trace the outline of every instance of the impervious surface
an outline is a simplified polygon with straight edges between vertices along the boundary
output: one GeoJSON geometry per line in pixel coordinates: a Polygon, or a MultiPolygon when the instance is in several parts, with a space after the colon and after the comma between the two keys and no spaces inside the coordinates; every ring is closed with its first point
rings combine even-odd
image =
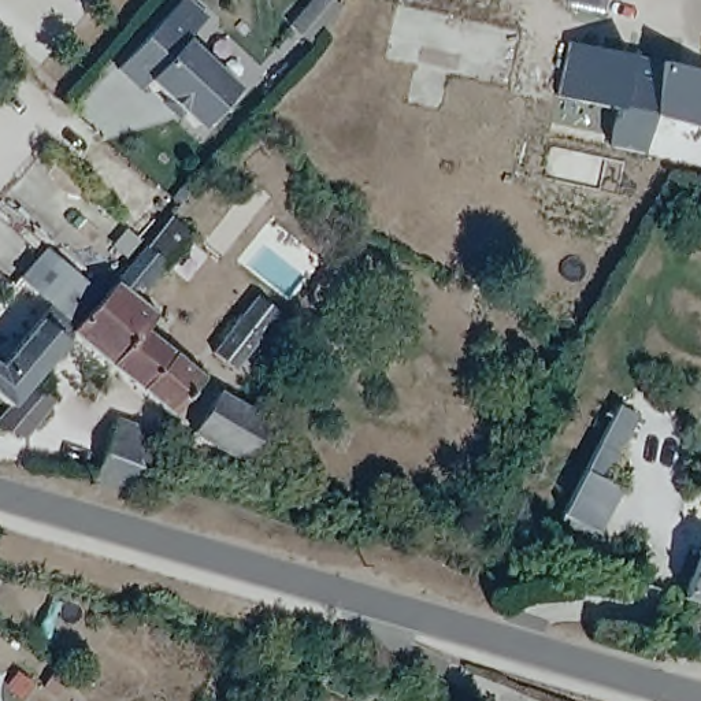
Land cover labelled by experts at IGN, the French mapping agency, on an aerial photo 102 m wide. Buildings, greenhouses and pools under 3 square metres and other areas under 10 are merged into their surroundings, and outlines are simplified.
{"type": "Polygon", "coordinates": [[[219,0],[194,0],[208,16],[200,27],[200,38],[208,38],[214,44],[216,58],[227,63],[227,68],[241,82],[238,99],[227,107],[227,112],[211,123],[203,123],[186,110],[183,101],[178,101],[178,96],[170,88],[151,82],[148,88],[140,88],[120,68],[181,5],[181,0],[164,0],[162,8],[118,52],[115,66],[107,66],[104,71],[85,96],[82,112],[74,115],[66,101],[41,93],[36,85],[25,79],[19,82],[19,88],[11,88],[5,93],[0,107],[0,189],[36,153],[47,151],[49,140],[55,137],[60,145],[68,145],[74,156],[79,156],[82,151],[88,151],[88,140],[93,137],[101,145],[110,145],[110,140],[120,131],[148,129],[167,120],[183,123],[183,129],[192,137],[203,142],[200,164],[211,167],[214,159],[214,153],[252,115],[252,110],[268,93],[274,93],[285,82],[285,77],[312,52],[307,41],[298,38],[298,30],[293,27],[277,49],[268,52],[266,60],[255,63],[238,44],[233,44],[230,38],[219,38],[219,0]]]}
{"type": "Polygon", "coordinates": [[[600,178],[597,156],[556,148],[548,159],[548,170],[553,175],[591,183],[600,178]]]}
{"type": "Polygon", "coordinates": [[[654,564],[660,581],[643,600],[633,605],[619,605],[602,602],[597,594],[583,594],[572,602],[528,605],[518,616],[509,616],[507,624],[487,622],[405,594],[394,594],[370,583],[348,581],[342,575],[318,572],[227,542],[118,515],[41,487],[0,479],[0,509],[36,523],[47,523],[55,528],[123,545],[140,553],[170,559],[186,567],[208,570],[244,583],[315,600],[326,608],[342,608],[348,619],[364,622],[372,630],[372,635],[394,652],[394,663],[413,665],[422,660],[422,654],[427,654],[449,687],[449,701],[539,701],[528,693],[498,685],[493,679],[471,679],[460,674],[457,660],[435,649],[419,649],[416,635],[424,633],[433,638],[444,638],[460,646],[471,646],[487,654],[498,654],[515,663],[526,663],[550,674],[572,676],[646,701],[701,701],[701,676],[687,679],[660,668],[646,668],[608,654],[597,654],[589,652],[594,643],[589,633],[594,633],[597,622],[624,619],[657,627],[660,605],[665,602],[668,591],[679,586],[687,594],[693,572],[701,570],[701,501],[682,498],[674,490],[671,479],[671,468],[679,463],[674,446],[685,446],[685,433],[674,427],[674,416],[652,408],[646,397],[638,392],[630,397],[630,403],[641,413],[641,424],[635,427],[635,435],[630,438],[619,463],[633,466],[633,490],[627,493],[619,498],[608,520],[608,534],[622,534],[627,526],[646,528],[649,561],[654,564]]]}
{"type": "Polygon", "coordinates": [[[501,66],[509,66],[512,60],[512,41],[504,38],[504,30],[482,22],[463,22],[457,16],[433,11],[394,11],[389,58],[411,63],[416,68],[408,93],[411,101],[427,107],[441,104],[446,74],[490,79],[501,66]]]}
{"type": "Polygon", "coordinates": [[[25,249],[16,233],[8,227],[5,214],[0,211],[0,274],[11,271],[16,279],[14,293],[19,293],[19,301],[11,309],[0,304],[0,361],[16,353],[22,340],[41,320],[41,309],[49,304],[36,296],[38,285],[22,279],[30,271],[30,266],[47,252],[44,244],[25,249]]]}
{"type": "Polygon", "coordinates": [[[192,279],[203,268],[203,263],[216,263],[219,255],[233,246],[241,230],[249,225],[249,219],[268,203],[268,194],[263,192],[252,194],[246,203],[230,205],[230,211],[211,235],[203,238],[197,233],[194,238],[186,263],[178,263],[173,268],[178,277],[192,279]]]}
{"type": "Polygon", "coordinates": [[[279,227],[268,225],[246,246],[246,252],[241,255],[241,266],[246,266],[257,277],[260,288],[268,290],[271,282],[263,274],[257,274],[255,260],[260,252],[274,252],[293,271],[298,271],[282,296],[293,298],[296,293],[301,293],[307,277],[318,266],[318,255],[301,244],[279,241],[279,227]]]}
{"type": "Polygon", "coordinates": [[[52,47],[58,47],[58,38],[68,27],[74,27],[88,14],[85,8],[96,0],[0,0],[0,22],[25,49],[27,60],[44,63],[49,55],[52,47]]]}
{"type": "Polygon", "coordinates": [[[550,131],[583,140],[608,140],[613,137],[616,112],[608,110],[608,104],[553,93],[553,96],[561,120],[550,123],[550,131]]]}
{"type": "Polygon", "coordinates": [[[142,441],[153,441],[178,422],[178,416],[164,411],[170,405],[170,397],[159,397],[153,389],[145,389],[107,353],[101,353],[90,340],[74,334],[74,342],[66,348],[66,356],[55,364],[60,400],[55,403],[52,419],[30,435],[0,433],[0,460],[16,457],[25,468],[33,460],[99,468],[101,468],[110,455],[118,411],[140,413],[142,441]],[[107,392],[82,381],[77,361],[85,356],[107,370],[107,392]]]}

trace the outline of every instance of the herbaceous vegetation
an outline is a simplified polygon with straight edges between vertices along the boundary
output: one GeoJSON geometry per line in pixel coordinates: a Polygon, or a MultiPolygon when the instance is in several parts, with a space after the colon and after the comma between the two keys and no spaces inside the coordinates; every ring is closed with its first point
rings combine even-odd
{"type": "Polygon", "coordinates": [[[175,581],[142,570],[137,564],[101,559],[66,545],[25,537],[0,526],[0,613],[14,622],[22,622],[27,616],[33,627],[44,624],[44,635],[52,638],[49,660],[44,663],[27,646],[0,633],[0,701],[192,701],[192,693],[203,685],[205,676],[203,657],[194,643],[173,641],[167,630],[148,630],[145,624],[126,630],[110,622],[107,627],[93,630],[85,622],[79,622],[77,605],[52,602],[52,597],[47,597],[44,589],[11,583],[14,564],[36,561],[63,575],[82,575],[85,583],[104,586],[110,591],[107,602],[137,602],[140,591],[167,597],[181,594],[189,605],[200,611],[230,616],[233,627],[227,638],[238,646],[246,646],[249,635],[255,633],[268,633],[271,622],[315,622],[318,627],[331,627],[334,633],[348,630],[364,641],[372,635],[372,630],[364,622],[348,619],[326,622],[312,611],[255,605],[252,600],[238,594],[175,581]],[[60,663],[71,649],[82,649],[85,643],[99,660],[96,679],[85,687],[60,685],[55,679],[60,663]],[[22,698],[14,696],[16,676],[36,679],[36,685],[22,698]]]}
{"type": "Polygon", "coordinates": [[[41,487],[118,515],[227,542],[318,572],[342,575],[348,581],[370,583],[394,594],[405,594],[487,622],[507,624],[509,616],[496,613],[487,605],[487,597],[493,597],[498,589],[515,586],[509,575],[509,561],[504,559],[496,567],[485,567],[476,583],[474,578],[457,572],[435,556],[400,556],[394,548],[383,542],[356,550],[345,548],[342,542],[326,548],[323,542],[309,542],[298,537],[293,523],[274,520],[271,515],[255,509],[238,512],[235,504],[219,498],[170,493],[167,504],[159,512],[142,512],[120,498],[120,487],[101,468],[99,468],[96,482],[85,482],[66,476],[41,476],[25,468],[16,457],[0,460],[0,479],[41,487]]]}
{"type": "Polygon", "coordinates": [[[466,403],[471,397],[471,386],[476,386],[485,372],[482,359],[474,353],[474,345],[485,340],[490,331],[507,331],[507,345],[518,351],[523,351],[528,342],[512,331],[518,318],[485,301],[476,285],[463,290],[460,285],[438,285],[424,268],[419,268],[411,277],[424,315],[419,351],[422,356],[389,364],[386,378],[394,386],[397,408],[383,413],[364,405],[361,367],[356,364],[348,372],[340,397],[334,400],[334,408],[342,413],[342,435],[320,435],[312,444],[315,455],[320,457],[320,466],[334,479],[351,482],[356,501],[370,498],[370,490],[381,482],[381,474],[411,479],[416,487],[444,482],[446,474],[471,474],[482,479],[479,460],[490,452],[490,419],[476,422],[474,411],[466,403]]]}
{"type": "Polygon", "coordinates": [[[674,416],[674,427],[685,433],[687,427],[701,430],[701,392],[690,386],[687,405],[674,416]]]}
{"type": "Polygon", "coordinates": [[[238,44],[255,63],[266,60],[268,52],[277,49],[293,27],[312,0],[219,0],[219,38],[230,38],[233,44],[238,44]]]}
{"type": "Polygon", "coordinates": [[[616,293],[608,312],[602,315],[589,348],[589,359],[575,383],[572,422],[567,422],[550,438],[550,444],[542,449],[542,457],[528,463],[523,474],[523,487],[534,493],[528,504],[528,512],[534,518],[561,520],[567,515],[619,405],[630,403],[630,397],[638,392],[627,372],[630,353],[646,351],[690,367],[701,364],[701,255],[674,255],[665,246],[665,233],[657,227],[657,222],[646,214],[652,211],[657,192],[671,178],[679,162],[660,159],[654,153],[633,153],[635,145],[613,145],[608,140],[583,140],[550,131],[550,123],[561,120],[553,96],[545,101],[531,99],[523,93],[512,93],[512,85],[507,82],[490,79],[446,74],[441,104],[427,107],[411,101],[408,93],[416,68],[411,63],[389,58],[394,11],[433,11],[457,16],[463,22],[482,22],[504,30],[518,30],[520,19],[498,16],[498,0],[342,0],[340,14],[331,19],[326,30],[331,36],[326,52],[282,96],[277,104],[277,115],[296,126],[307,148],[309,164],[331,181],[356,183],[367,194],[367,222],[375,230],[389,233],[392,238],[408,244],[413,252],[424,252],[438,263],[446,263],[446,271],[452,274],[471,274],[476,282],[482,279],[487,266],[507,266],[509,260],[520,260],[520,252],[528,249],[542,263],[545,277],[542,288],[537,290],[537,304],[542,304],[550,318],[575,312],[583,320],[600,301],[608,277],[627,255],[638,230],[649,238],[646,249],[633,263],[624,288],[616,293]],[[597,156],[600,178],[591,183],[553,175],[548,170],[548,159],[556,148],[597,156]]]}
{"type": "Polygon", "coordinates": [[[101,145],[93,137],[88,140],[88,151],[82,151],[79,156],[88,159],[93,170],[101,175],[101,181],[118,192],[120,203],[129,211],[126,225],[112,225],[112,216],[101,205],[90,205],[82,200],[77,183],[66,175],[63,167],[41,164],[36,153],[0,189],[0,211],[5,214],[8,227],[16,233],[25,249],[44,244],[47,252],[58,255],[79,277],[85,277],[85,268],[96,263],[118,268],[118,260],[126,255],[118,246],[118,238],[129,233],[142,241],[145,230],[153,222],[153,214],[170,203],[170,194],[181,194],[178,214],[194,222],[197,233],[203,238],[211,235],[230,211],[230,205],[219,192],[205,192],[203,197],[194,197],[183,192],[192,175],[186,170],[175,173],[173,156],[178,142],[186,142],[192,137],[183,129],[183,123],[167,120],[148,129],[120,131],[110,140],[110,145],[101,145]]]}
{"type": "Polygon", "coordinates": [[[290,334],[290,320],[298,315],[298,307],[318,307],[323,301],[323,290],[331,288],[331,268],[318,266],[307,277],[301,293],[296,293],[293,298],[282,296],[268,290],[260,288],[257,277],[246,266],[241,266],[241,255],[246,252],[246,246],[268,225],[279,227],[279,241],[301,244],[304,235],[298,230],[298,219],[285,208],[285,159],[266,142],[255,142],[241,153],[246,159],[246,170],[252,173],[252,194],[263,192],[268,194],[268,203],[249,219],[249,225],[241,230],[233,246],[219,255],[216,263],[203,263],[203,268],[192,279],[178,277],[173,268],[162,271],[151,288],[156,320],[183,348],[189,348],[214,375],[205,383],[203,397],[189,405],[189,413],[178,416],[178,422],[189,424],[197,433],[203,422],[214,413],[222,392],[249,405],[260,403],[268,397],[268,386],[257,381],[257,367],[277,359],[274,351],[290,334]],[[266,307],[274,307],[277,315],[268,323],[257,351],[252,353],[252,361],[233,364],[227,356],[214,353],[214,348],[222,342],[235,318],[255,298],[260,298],[266,307]]]}
{"type": "Polygon", "coordinates": [[[49,55],[44,63],[27,60],[25,79],[36,85],[41,93],[66,101],[71,88],[79,79],[85,79],[96,66],[104,71],[107,66],[101,63],[101,58],[107,47],[120,36],[120,30],[126,30],[129,19],[148,0],[110,0],[110,5],[120,11],[118,22],[110,30],[101,33],[96,19],[88,14],[74,27],[74,36],[79,41],[93,44],[82,63],[66,71],[49,55]]]}
{"type": "Polygon", "coordinates": [[[652,660],[641,652],[622,652],[613,646],[594,643],[589,652],[597,654],[608,654],[646,668],[660,668],[687,679],[701,676],[701,663],[687,657],[652,660]]]}

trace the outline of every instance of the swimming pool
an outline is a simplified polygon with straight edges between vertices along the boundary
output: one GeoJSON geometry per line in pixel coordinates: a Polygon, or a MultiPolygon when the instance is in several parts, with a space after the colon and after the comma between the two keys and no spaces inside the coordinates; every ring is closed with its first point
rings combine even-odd
{"type": "Polygon", "coordinates": [[[293,271],[274,252],[260,252],[255,260],[257,274],[263,274],[271,282],[268,290],[282,296],[298,271],[293,271]]]}

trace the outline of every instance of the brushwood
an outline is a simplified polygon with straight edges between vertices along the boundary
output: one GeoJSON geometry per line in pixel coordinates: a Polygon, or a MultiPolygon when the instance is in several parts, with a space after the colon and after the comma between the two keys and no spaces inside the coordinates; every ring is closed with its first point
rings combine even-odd
{"type": "Polygon", "coordinates": [[[96,66],[85,79],[79,79],[71,88],[66,101],[74,115],[82,112],[85,96],[104,71],[96,66]]]}
{"type": "Polygon", "coordinates": [[[424,268],[438,285],[460,285],[463,290],[476,285],[476,282],[471,274],[452,274],[446,271],[446,263],[438,263],[424,252],[413,252],[408,244],[392,238],[389,233],[375,230],[370,235],[370,246],[383,249],[394,260],[394,266],[408,271],[411,277],[419,268],[424,268]]]}
{"type": "Polygon", "coordinates": [[[583,696],[578,698],[572,693],[561,693],[539,682],[520,679],[515,674],[474,660],[457,660],[460,674],[471,679],[493,679],[498,685],[528,693],[539,701],[586,701],[583,696]]]}
{"type": "Polygon", "coordinates": [[[624,288],[633,263],[646,249],[649,238],[638,230],[627,255],[608,277],[600,301],[583,320],[578,342],[589,348],[602,315],[608,312],[616,293],[624,288]]]}
{"type": "Polygon", "coordinates": [[[312,52],[285,77],[285,82],[274,93],[282,96],[326,52],[331,36],[326,30],[318,30],[315,38],[307,41],[312,52]]]}
{"type": "Polygon", "coordinates": [[[663,214],[682,214],[685,197],[701,203],[701,164],[679,162],[671,178],[657,192],[652,211],[646,214],[657,222],[663,214]]]}
{"type": "Polygon", "coordinates": [[[120,203],[118,192],[101,181],[101,175],[93,170],[88,159],[79,156],[74,156],[68,145],[60,145],[55,137],[49,140],[47,151],[36,153],[41,164],[63,167],[66,175],[77,183],[82,200],[90,205],[101,205],[112,216],[112,225],[126,225],[129,211],[120,203]]]}
{"type": "Polygon", "coordinates": [[[266,123],[255,120],[252,115],[214,153],[214,159],[222,167],[246,170],[246,159],[241,153],[255,142],[266,131],[266,123]]]}
{"type": "Polygon", "coordinates": [[[41,476],[66,476],[85,482],[96,482],[99,468],[33,460],[25,468],[41,476]]]}
{"type": "Polygon", "coordinates": [[[126,30],[120,30],[120,36],[107,47],[101,58],[101,63],[107,66],[115,66],[118,52],[162,8],[164,0],[148,0],[129,19],[126,30]]]}

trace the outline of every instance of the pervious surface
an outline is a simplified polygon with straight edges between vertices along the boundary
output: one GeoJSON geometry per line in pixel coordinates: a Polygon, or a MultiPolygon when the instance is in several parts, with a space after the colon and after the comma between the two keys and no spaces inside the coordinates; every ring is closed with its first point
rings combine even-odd
{"type": "Polygon", "coordinates": [[[550,674],[526,663],[515,663],[498,654],[487,654],[471,646],[460,646],[444,638],[433,638],[424,633],[416,635],[419,649],[435,649],[457,660],[474,660],[515,674],[520,679],[539,682],[561,693],[572,693],[578,698],[583,696],[586,701],[646,701],[572,676],[550,674]]]}
{"type": "Polygon", "coordinates": [[[594,14],[575,11],[575,0],[498,0],[498,16],[520,19],[518,30],[504,30],[504,38],[512,41],[512,60],[509,66],[501,66],[490,79],[507,82],[512,85],[512,93],[523,93],[531,99],[545,101],[553,96],[553,93],[553,55],[564,52],[561,36],[570,44],[646,55],[654,96],[663,93],[665,63],[701,68],[701,0],[608,0],[608,5],[602,5],[600,14],[602,19],[597,19],[594,14]]]}
{"type": "Polygon", "coordinates": [[[244,583],[208,570],[186,567],[170,559],[140,553],[123,545],[55,528],[47,523],[36,523],[0,509],[0,526],[25,537],[66,545],[101,559],[137,564],[142,570],[175,581],[238,594],[252,600],[255,605],[312,611],[326,622],[348,619],[342,608],[326,608],[315,600],[244,583]]]}

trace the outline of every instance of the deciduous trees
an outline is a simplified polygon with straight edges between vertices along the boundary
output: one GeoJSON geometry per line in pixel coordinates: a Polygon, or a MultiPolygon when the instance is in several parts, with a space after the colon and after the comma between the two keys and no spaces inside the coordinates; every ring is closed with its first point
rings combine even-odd
{"type": "Polygon", "coordinates": [[[665,246],[674,255],[701,255],[701,203],[685,197],[682,214],[663,214],[657,222],[657,227],[665,233],[665,246]]]}
{"type": "Polygon", "coordinates": [[[16,279],[11,271],[0,274],[0,304],[11,309],[19,301],[19,293],[14,293],[16,279]]]}
{"type": "Polygon", "coordinates": [[[633,466],[619,463],[613,466],[611,482],[616,482],[627,493],[633,490],[633,466]]]}
{"type": "Polygon", "coordinates": [[[646,351],[630,353],[627,372],[638,392],[646,397],[652,408],[674,416],[687,405],[690,386],[701,392],[701,364],[690,367],[646,351]]]}
{"type": "Polygon", "coordinates": [[[665,602],[660,605],[657,627],[624,619],[597,622],[594,633],[589,633],[594,643],[613,646],[622,652],[641,652],[652,660],[687,657],[701,663],[701,600],[693,602],[687,594],[679,586],[668,591],[665,602]]]}
{"type": "Polygon", "coordinates": [[[701,501],[701,430],[687,427],[685,433],[685,446],[674,446],[679,463],[671,468],[671,479],[674,490],[682,498],[701,501]]]}
{"type": "Polygon", "coordinates": [[[52,638],[44,635],[44,624],[33,627],[27,616],[22,622],[14,622],[0,613],[0,633],[27,646],[44,663],[49,660],[52,638]]]}
{"type": "Polygon", "coordinates": [[[27,60],[25,49],[0,22],[0,107],[5,93],[11,88],[19,88],[19,82],[25,79],[27,60]]]}
{"type": "Polygon", "coordinates": [[[173,268],[178,263],[186,263],[194,238],[175,235],[173,252],[164,252],[162,257],[162,271],[173,268]]]}
{"type": "Polygon", "coordinates": [[[178,142],[173,156],[175,173],[186,170],[192,175],[183,192],[194,197],[203,197],[205,192],[219,192],[230,205],[246,203],[252,194],[252,173],[246,170],[222,167],[214,159],[211,167],[200,164],[203,142],[192,137],[186,142],[178,142]]]}
{"type": "Polygon", "coordinates": [[[238,646],[227,638],[233,627],[230,616],[200,611],[189,605],[181,594],[167,597],[140,591],[137,602],[107,602],[110,591],[104,586],[85,583],[82,575],[63,575],[36,561],[14,564],[11,583],[44,589],[47,597],[52,597],[52,602],[77,605],[79,622],[85,622],[93,630],[107,627],[110,622],[126,630],[145,624],[148,630],[167,630],[173,641],[194,643],[203,657],[205,676],[203,685],[192,693],[192,701],[449,701],[449,687],[427,654],[422,654],[422,660],[413,665],[394,663],[394,652],[372,635],[364,641],[348,630],[334,633],[331,627],[318,627],[315,622],[271,622],[268,633],[255,633],[249,635],[246,646],[238,646]]]}
{"type": "Polygon", "coordinates": [[[85,687],[96,679],[99,660],[85,643],[82,649],[71,649],[60,663],[55,679],[60,685],[85,687]]]}
{"type": "Polygon", "coordinates": [[[88,14],[96,19],[101,33],[110,30],[118,22],[120,11],[110,5],[110,0],[96,0],[85,8],[88,14]]]}
{"type": "Polygon", "coordinates": [[[58,38],[58,47],[52,47],[49,55],[66,71],[82,63],[93,44],[79,41],[74,36],[74,27],[68,27],[58,38]]]}
{"type": "Polygon", "coordinates": [[[82,381],[107,392],[107,370],[85,356],[77,361],[82,381]]]}
{"type": "Polygon", "coordinates": [[[444,482],[416,487],[411,479],[381,474],[381,482],[370,490],[370,498],[356,501],[351,482],[334,479],[320,466],[320,457],[315,455],[312,444],[320,435],[342,435],[342,413],[334,408],[334,400],[340,397],[348,372],[356,364],[361,367],[364,405],[383,413],[397,408],[394,386],[386,378],[389,364],[422,356],[419,351],[424,315],[411,277],[408,271],[394,266],[394,260],[383,249],[370,246],[370,235],[375,230],[367,222],[367,194],[356,183],[331,181],[309,164],[307,148],[296,126],[277,115],[277,104],[282,96],[274,93],[268,93],[252,110],[252,115],[255,120],[266,123],[266,131],[255,142],[266,142],[285,159],[285,208],[298,219],[298,230],[304,235],[301,244],[318,255],[318,266],[331,268],[331,288],[323,290],[323,301],[318,307],[298,307],[298,315],[290,320],[290,334],[274,351],[277,359],[257,367],[257,381],[268,386],[268,397],[260,403],[260,419],[268,422],[268,438],[263,438],[260,446],[249,455],[230,455],[219,446],[197,446],[197,433],[189,424],[178,422],[153,441],[142,441],[148,449],[148,466],[140,474],[126,476],[120,487],[120,498],[142,512],[159,512],[167,504],[170,493],[219,498],[235,504],[238,512],[255,509],[271,515],[274,520],[293,523],[298,537],[309,542],[323,542],[326,548],[342,542],[345,548],[356,550],[383,542],[394,548],[400,556],[435,556],[457,572],[474,578],[476,583],[485,567],[496,567],[504,559],[509,561],[509,575],[515,586],[498,589],[493,597],[487,597],[487,605],[496,613],[509,616],[518,616],[528,605],[572,602],[583,594],[597,594],[602,602],[619,605],[633,605],[643,600],[660,581],[654,564],[649,561],[646,528],[627,526],[622,534],[608,534],[581,531],[567,520],[567,515],[561,520],[534,518],[528,512],[528,504],[534,493],[523,487],[523,474],[528,463],[542,457],[542,449],[550,444],[550,438],[567,422],[572,422],[575,383],[589,359],[589,348],[578,342],[583,320],[575,312],[550,318],[542,304],[537,304],[537,290],[542,288],[545,277],[542,263],[528,249],[520,252],[520,260],[509,260],[507,266],[487,266],[482,279],[476,282],[476,285],[485,301],[518,318],[512,331],[528,342],[523,351],[518,351],[507,345],[507,331],[490,331],[485,340],[474,345],[474,353],[482,359],[485,372],[476,386],[471,386],[471,397],[466,403],[474,411],[476,422],[490,419],[490,452],[479,460],[482,479],[471,474],[446,474],[444,482]]]}

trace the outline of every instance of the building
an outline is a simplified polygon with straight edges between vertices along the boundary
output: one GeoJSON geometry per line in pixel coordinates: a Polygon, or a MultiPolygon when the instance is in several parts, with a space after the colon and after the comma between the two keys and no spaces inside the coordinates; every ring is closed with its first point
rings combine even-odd
{"type": "Polygon", "coordinates": [[[79,277],[58,255],[47,252],[30,266],[30,271],[22,279],[38,285],[36,296],[49,304],[41,309],[41,320],[22,340],[16,353],[0,361],[0,433],[30,435],[52,419],[55,403],[60,400],[55,364],[66,356],[66,348],[74,342],[74,334],[90,340],[101,353],[107,353],[145,389],[153,389],[159,397],[170,397],[170,405],[164,411],[178,416],[189,413],[189,405],[203,397],[205,383],[214,375],[189,348],[183,348],[156,320],[151,288],[162,271],[162,257],[164,252],[173,252],[175,235],[194,238],[197,233],[194,222],[178,214],[181,194],[170,194],[170,203],[153,214],[153,222],[145,230],[142,241],[129,233],[118,238],[118,246],[126,255],[118,260],[118,268],[96,263],[85,268],[85,277],[79,277]]]}
{"type": "Polygon", "coordinates": [[[581,531],[608,534],[608,520],[619,498],[627,493],[616,482],[611,482],[613,466],[619,463],[630,438],[635,435],[635,427],[641,424],[641,413],[630,403],[619,405],[567,515],[567,520],[581,531]]]}
{"type": "Polygon", "coordinates": [[[219,446],[230,455],[249,455],[260,446],[263,438],[268,438],[268,422],[260,419],[260,403],[249,405],[222,392],[214,413],[203,422],[197,433],[197,446],[219,446]]]}
{"type": "Polygon", "coordinates": [[[274,307],[266,307],[260,298],[255,298],[235,318],[222,342],[214,348],[214,353],[227,356],[233,364],[252,361],[252,353],[257,351],[268,323],[277,315],[274,307]]]}
{"type": "Polygon", "coordinates": [[[679,162],[701,164],[701,68],[665,63],[663,93],[654,96],[646,55],[570,44],[561,36],[564,52],[553,55],[553,93],[608,104],[608,110],[616,112],[613,137],[608,140],[613,145],[635,145],[633,153],[654,153],[660,159],[679,162]]]}
{"type": "Polygon", "coordinates": [[[16,676],[14,696],[22,698],[36,685],[36,679],[16,676]]]}
{"type": "Polygon", "coordinates": [[[307,41],[315,38],[318,30],[326,30],[331,19],[340,14],[342,0],[312,0],[293,27],[298,30],[298,38],[307,41]]]}
{"type": "Polygon", "coordinates": [[[597,19],[602,19],[600,14],[602,5],[608,5],[608,0],[575,0],[575,11],[594,14],[597,19]]]}
{"type": "Polygon", "coordinates": [[[183,101],[186,110],[203,123],[211,123],[227,112],[227,107],[238,99],[241,82],[227,68],[227,63],[216,58],[214,44],[208,38],[200,38],[200,27],[208,16],[194,0],[181,0],[181,5],[120,68],[140,88],[148,88],[151,82],[170,88],[178,96],[178,101],[183,101]]]}
{"type": "Polygon", "coordinates": [[[140,413],[118,411],[110,455],[101,468],[120,487],[126,476],[140,474],[148,466],[148,449],[142,441],[140,413]]]}
{"type": "Polygon", "coordinates": [[[687,594],[693,602],[701,600],[701,570],[693,572],[687,594]]]}

